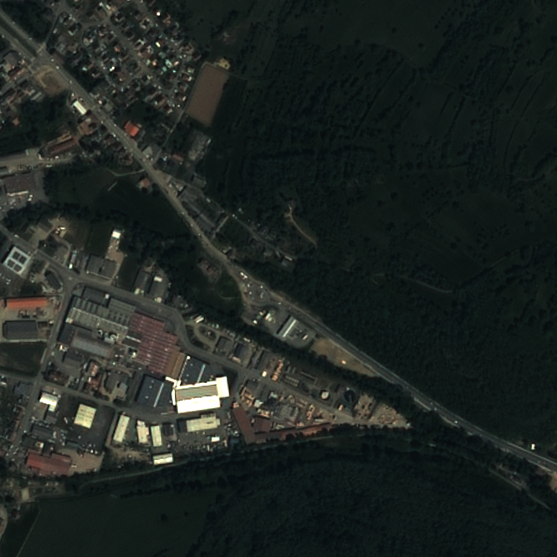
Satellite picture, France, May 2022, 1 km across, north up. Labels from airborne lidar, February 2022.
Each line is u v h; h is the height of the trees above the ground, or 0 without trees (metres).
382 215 0
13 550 0
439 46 0
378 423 0
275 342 19
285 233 8
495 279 7
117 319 0
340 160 16
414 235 0
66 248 0
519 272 13
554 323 8
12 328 0
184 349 0
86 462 0
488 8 12
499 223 0
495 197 0
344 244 0
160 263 7
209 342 0
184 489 22
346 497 23
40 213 16
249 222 9
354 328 10
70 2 0
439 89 0
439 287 10
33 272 0
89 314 0
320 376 0
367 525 17
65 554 0
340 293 22
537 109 0
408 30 0
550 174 0
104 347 0
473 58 0
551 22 0
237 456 14
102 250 0
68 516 0
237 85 0
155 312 0
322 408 0
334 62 7
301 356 20
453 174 0
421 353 9
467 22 9
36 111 25
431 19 0
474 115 0
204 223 0
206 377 0
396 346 19
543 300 0
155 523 0
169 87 0
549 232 0
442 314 15
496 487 0
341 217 10
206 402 0
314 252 13
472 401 13
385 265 6
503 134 0
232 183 0
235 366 0
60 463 0
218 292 0
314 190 7
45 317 0
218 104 0
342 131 15
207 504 0
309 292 19
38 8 18
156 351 0
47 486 0
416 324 15
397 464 8
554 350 11
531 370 15
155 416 0
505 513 21
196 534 0
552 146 0
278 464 0
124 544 0
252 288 0
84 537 0
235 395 0
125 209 0
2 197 0
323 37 0
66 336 0
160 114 8
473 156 15
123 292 0
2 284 0
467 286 15
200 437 0
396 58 12
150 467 14
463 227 0
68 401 0
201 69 0
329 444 0
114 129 0
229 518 16
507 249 0
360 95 7
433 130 0
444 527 22
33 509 0
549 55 8
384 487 25
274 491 23
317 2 6
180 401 0
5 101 0
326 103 9
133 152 0
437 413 0
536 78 0
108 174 0
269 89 8
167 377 0
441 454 16
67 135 0
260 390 0
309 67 12
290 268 0
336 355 0
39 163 0
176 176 0
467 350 18
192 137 0
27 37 0
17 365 0
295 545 18
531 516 21
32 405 0
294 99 9
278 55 0
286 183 15
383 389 6
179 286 10
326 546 19
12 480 0
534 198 0
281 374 0
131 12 0
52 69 0
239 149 0
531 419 15
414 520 20
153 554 0
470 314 23
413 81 6
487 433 0
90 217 15
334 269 16
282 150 0
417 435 17
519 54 9
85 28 0
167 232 0
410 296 11
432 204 0
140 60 0
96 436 0
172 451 0
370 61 0
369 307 19
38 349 0
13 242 0
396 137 7
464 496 24
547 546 22
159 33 0
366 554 21
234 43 0
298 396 0
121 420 0
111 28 0
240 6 0
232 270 0
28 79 0
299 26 0
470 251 7
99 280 0
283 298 0
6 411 0
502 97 0
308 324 0
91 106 0
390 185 0
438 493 28
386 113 11
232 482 18
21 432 0
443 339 14
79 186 0
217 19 0
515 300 0
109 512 0
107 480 0
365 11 0
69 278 0
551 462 0
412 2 0
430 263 0
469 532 18
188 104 0
